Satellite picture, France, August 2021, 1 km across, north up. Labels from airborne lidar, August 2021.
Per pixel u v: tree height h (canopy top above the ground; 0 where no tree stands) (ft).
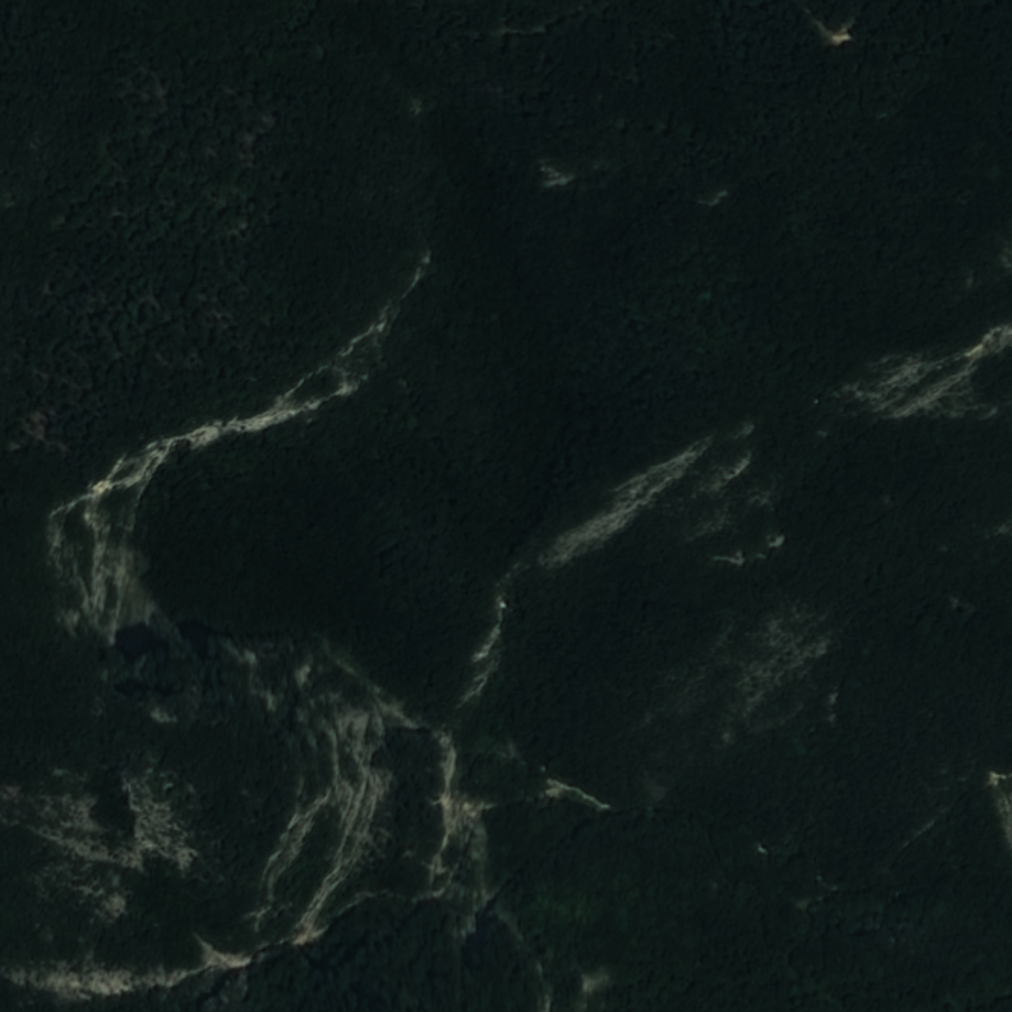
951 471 49
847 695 43
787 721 34
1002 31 81
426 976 41
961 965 39
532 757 41
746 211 96
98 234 88
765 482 36
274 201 74
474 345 87
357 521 112
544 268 77
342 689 22
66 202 73
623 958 52
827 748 49
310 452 88
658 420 91
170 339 79
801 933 64
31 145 44
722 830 55
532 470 81
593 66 76
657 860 62
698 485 19
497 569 96
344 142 77
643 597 94
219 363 61
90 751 28
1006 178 56
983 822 54
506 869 26
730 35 64
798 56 62
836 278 81
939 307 44
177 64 73
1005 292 43
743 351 99
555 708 78
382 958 53
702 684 28
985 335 175
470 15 67
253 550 56
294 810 29
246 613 62
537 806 33
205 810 33
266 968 48
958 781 45
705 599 49
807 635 26
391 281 47
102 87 66
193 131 63
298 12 77
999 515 37
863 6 74
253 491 80
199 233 83
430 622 94
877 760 58
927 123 85
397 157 41
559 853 48
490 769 44
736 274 75
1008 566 64
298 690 22
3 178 42
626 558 72
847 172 79
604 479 54
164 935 48
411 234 60
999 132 87
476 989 73
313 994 76
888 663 63
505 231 46
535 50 77
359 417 101
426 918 36
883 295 65
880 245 76
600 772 61
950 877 59
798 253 62
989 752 39
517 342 48
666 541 32
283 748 31
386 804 33
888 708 44
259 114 60
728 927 67
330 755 27
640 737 29
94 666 131
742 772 52
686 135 73
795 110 67
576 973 24
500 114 81
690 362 97
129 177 26
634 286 70
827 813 58
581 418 101
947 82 81
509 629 59
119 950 31
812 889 22
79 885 38
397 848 77
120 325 79
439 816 28
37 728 37
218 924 33
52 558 26
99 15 77
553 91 64
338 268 61
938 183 61
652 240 82
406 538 110
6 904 62
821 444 36
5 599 35
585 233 79
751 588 37
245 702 89
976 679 53
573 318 89
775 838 41
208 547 69
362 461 98
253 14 77
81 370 98
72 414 97
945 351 35
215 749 50
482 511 106
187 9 70
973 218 60
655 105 77
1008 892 61
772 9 93
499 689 73
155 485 61
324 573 73
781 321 86
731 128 66
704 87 62
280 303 70
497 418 103
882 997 59
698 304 96
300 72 78
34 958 37
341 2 64
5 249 46
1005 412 31
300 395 33
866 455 90
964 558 48
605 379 100
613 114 75
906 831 52
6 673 50
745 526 35
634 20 64
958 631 109
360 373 22
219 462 75
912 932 20
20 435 72
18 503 66
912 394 31
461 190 52
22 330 70
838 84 59
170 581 50
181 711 36
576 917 59
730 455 26
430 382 74
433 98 71
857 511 64
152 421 75
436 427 99
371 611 79
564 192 52
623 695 30
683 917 73
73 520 33
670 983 22
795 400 82
